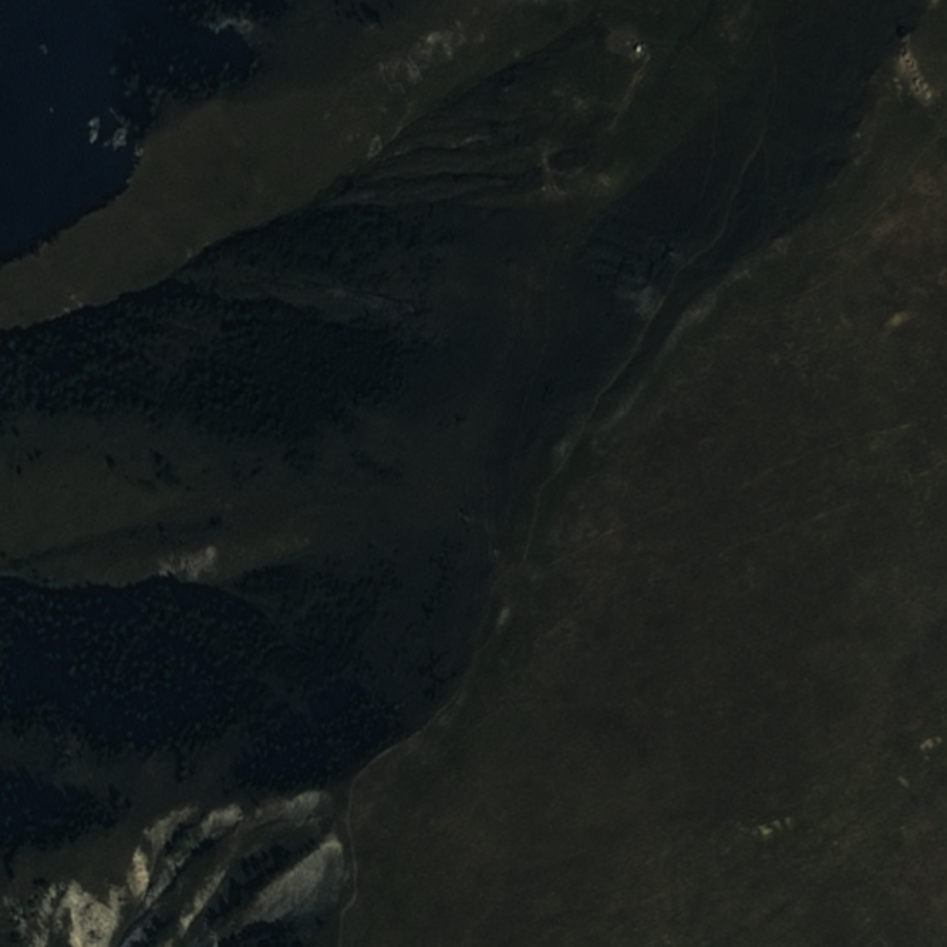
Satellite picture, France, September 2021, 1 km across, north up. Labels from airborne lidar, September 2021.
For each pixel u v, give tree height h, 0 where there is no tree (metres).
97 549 0
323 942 0
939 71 0
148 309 10
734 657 0
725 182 0
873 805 0
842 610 0
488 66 0
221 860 0
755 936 0
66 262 0
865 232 0
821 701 0
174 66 16
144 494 0
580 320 0
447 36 0
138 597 8
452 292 0
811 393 0
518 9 0
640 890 0
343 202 0
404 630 0
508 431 0
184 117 0
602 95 0
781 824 0
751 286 0
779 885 0
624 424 0
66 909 0
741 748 0
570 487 0
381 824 0
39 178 0
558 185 0
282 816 0
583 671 0
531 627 0
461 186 0
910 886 0
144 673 7
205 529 0
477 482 0
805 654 0
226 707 10
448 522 0
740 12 0
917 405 0
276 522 0
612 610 0
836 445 0
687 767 0
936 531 0
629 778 0
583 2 0
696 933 0
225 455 0
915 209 0
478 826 0
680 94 0
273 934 6
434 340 0
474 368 0
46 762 0
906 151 0
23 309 0
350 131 0
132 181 0
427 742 0
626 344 0
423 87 0
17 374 12
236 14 13
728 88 0
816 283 0
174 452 0
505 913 0
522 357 0
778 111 0
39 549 0
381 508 0
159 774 0
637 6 0
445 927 0
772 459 0
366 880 0
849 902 0
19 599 9
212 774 0
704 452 0
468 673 0
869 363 0
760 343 0
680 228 0
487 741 0
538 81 0
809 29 0
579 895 0
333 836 0
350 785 0
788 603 0
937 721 0
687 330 0
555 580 0
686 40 0
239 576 0
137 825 0
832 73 0
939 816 0
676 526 0
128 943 0
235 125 0
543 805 0
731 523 0
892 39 0
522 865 0
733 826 0
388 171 0
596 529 0
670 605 0
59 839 12
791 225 0
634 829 0
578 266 0
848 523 0
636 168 0
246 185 0
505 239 0
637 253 0
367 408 0
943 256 0
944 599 0
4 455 0
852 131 0
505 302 0
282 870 6
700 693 0
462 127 0
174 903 0
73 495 0
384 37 0
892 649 0
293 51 0
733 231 0
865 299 0
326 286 0
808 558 0
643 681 0
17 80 0
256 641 7
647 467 0
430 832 0
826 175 0
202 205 0
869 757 0
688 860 0
